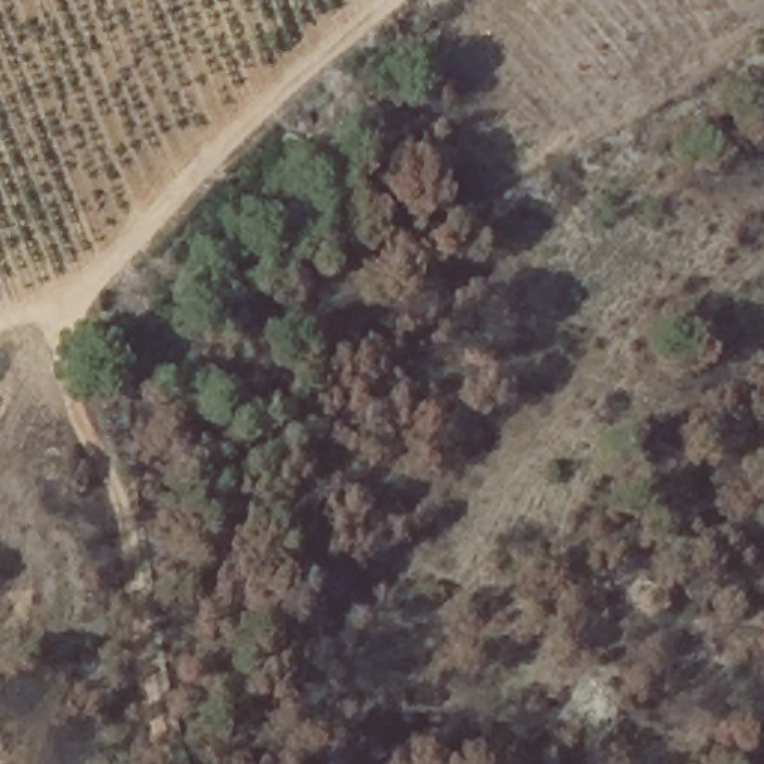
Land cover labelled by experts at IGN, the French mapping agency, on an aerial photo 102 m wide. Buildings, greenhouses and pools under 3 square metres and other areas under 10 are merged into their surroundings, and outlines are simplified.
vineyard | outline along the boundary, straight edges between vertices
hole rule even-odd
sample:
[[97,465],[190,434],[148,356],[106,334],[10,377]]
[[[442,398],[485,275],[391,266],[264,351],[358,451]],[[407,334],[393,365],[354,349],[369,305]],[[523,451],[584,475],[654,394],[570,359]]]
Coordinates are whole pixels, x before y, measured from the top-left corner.
[[12,301],[27,301],[33,289],[42,289],[45,284],[66,275],[66,263],[75,263],[81,254],[90,251],[104,251],[110,242],[116,242],[119,224],[128,218],[128,209],[149,209],[158,191],[179,176],[179,170],[191,158],[200,155],[206,143],[218,137],[218,131],[227,122],[236,119],[242,104],[263,96],[272,84],[278,84],[284,66],[295,60],[289,51],[301,42],[301,30],[307,24],[316,24],[325,12],[337,12],[346,0],[0,0],[0,295]]

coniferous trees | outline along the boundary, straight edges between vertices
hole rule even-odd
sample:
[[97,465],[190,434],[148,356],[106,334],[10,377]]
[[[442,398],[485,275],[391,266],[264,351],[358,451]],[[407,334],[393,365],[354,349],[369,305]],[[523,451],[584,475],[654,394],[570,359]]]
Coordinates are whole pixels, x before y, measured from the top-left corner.
[[498,66],[504,63],[504,51],[489,36],[460,33],[454,33],[451,39],[439,39],[424,51],[427,90],[421,104],[394,104],[382,98],[376,107],[361,110],[361,125],[352,128],[349,137],[340,143],[334,143],[325,134],[301,134],[298,140],[284,140],[284,128],[272,122],[263,125],[251,140],[245,140],[233,152],[224,179],[212,182],[206,194],[197,194],[179,212],[179,218],[167,224],[152,239],[152,245],[140,251],[134,263],[116,275],[116,281],[107,289],[101,289],[87,319],[60,334],[60,358],[54,373],[57,379],[69,382],[69,394],[75,400],[84,400],[93,430],[98,436],[113,439],[125,492],[134,507],[134,522],[149,522],[158,510],[167,513],[167,525],[161,531],[161,546],[167,546],[167,552],[155,552],[152,543],[140,543],[134,552],[122,552],[116,513],[107,498],[107,457],[93,445],[81,442],[72,451],[69,472],[72,478],[78,478],[78,483],[84,483],[84,489],[66,498],[57,492],[54,483],[48,483],[39,492],[39,504],[51,516],[63,519],[60,531],[69,531],[75,543],[84,549],[84,555],[93,561],[98,576],[93,600],[101,606],[101,612],[107,612],[107,630],[45,633],[39,651],[30,660],[42,671],[63,671],[69,680],[75,680],[75,692],[66,701],[69,719],[48,731],[48,743],[54,737],[93,734],[93,758],[87,758],[84,764],[764,764],[764,272],[743,281],[743,287],[734,295],[713,292],[701,298],[695,304],[698,319],[689,319],[686,313],[674,316],[674,310],[666,307],[657,313],[648,349],[654,361],[663,355],[677,358],[683,373],[671,379],[680,388],[695,388],[695,412],[686,415],[680,409],[674,415],[651,415],[645,433],[624,415],[615,424],[600,424],[600,439],[612,442],[612,451],[606,457],[609,472],[588,489],[585,504],[573,513],[567,534],[558,534],[558,528],[534,525],[528,519],[522,519],[516,528],[507,528],[504,534],[498,534],[495,543],[495,582],[480,591],[427,573],[409,579],[406,567],[412,561],[412,552],[427,540],[448,534],[466,516],[466,501],[486,478],[486,469],[480,463],[498,448],[504,421],[513,418],[519,409],[534,406],[543,397],[561,391],[585,355],[582,346],[591,328],[573,325],[570,319],[588,301],[588,289],[582,281],[576,281],[570,272],[534,266],[519,269],[513,281],[495,281],[492,275],[504,257],[531,251],[555,227],[555,218],[549,215],[546,203],[534,197],[504,200],[507,188],[519,185],[519,170],[516,143],[504,125],[504,116],[498,116],[495,110],[498,98],[489,93],[498,84]]
[[671,155],[683,173],[719,167],[725,179],[737,179],[743,173],[755,173],[764,179],[764,66],[752,66],[749,75],[755,78],[755,87],[725,93],[719,116],[707,116],[707,125],[671,137]]
[[633,200],[633,191],[624,188],[609,200],[612,215],[606,218],[603,230],[618,227],[624,218],[639,218],[642,224],[657,230],[677,215],[674,200],[669,194]]
[[764,212],[746,212],[737,227],[737,239],[725,251],[725,263],[734,266],[743,260],[746,251],[761,251],[764,239]]

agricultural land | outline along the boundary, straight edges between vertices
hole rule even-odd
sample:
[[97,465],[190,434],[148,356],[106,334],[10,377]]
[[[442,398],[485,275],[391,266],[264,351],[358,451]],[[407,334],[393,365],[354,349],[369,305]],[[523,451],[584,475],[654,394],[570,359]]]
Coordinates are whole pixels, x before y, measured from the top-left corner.
[[752,66],[764,66],[764,0],[475,0],[475,6],[466,6],[466,12],[457,18],[460,33],[489,36],[504,51],[504,63],[498,66],[498,84],[489,93],[498,98],[495,110],[498,116],[504,116],[504,125],[516,143],[519,170],[546,164],[546,158],[555,152],[570,155],[582,140],[603,140],[612,143],[612,155],[621,167],[660,170],[660,155],[645,155],[633,149],[633,122],[648,107],[674,98],[677,93],[689,93],[716,66],[731,69],[734,60],[746,60]]

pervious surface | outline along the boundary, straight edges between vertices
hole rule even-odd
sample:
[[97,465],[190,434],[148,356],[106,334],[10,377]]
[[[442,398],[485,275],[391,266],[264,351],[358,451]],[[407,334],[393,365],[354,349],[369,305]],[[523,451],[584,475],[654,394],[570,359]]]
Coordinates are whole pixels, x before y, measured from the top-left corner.
[[152,543],[155,552],[167,552],[167,546],[161,546],[161,531],[167,525],[167,513],[158,510],[149,522],[134,522],[134,507],[125,492],[113,439],[98,436],[93,430],[84,400],[75,400],[69,394],[69,382],[57,379],[54,373],[60,358],[60,334],[87,319],[101,289],[107,289],[116,281],[116,275],[134,263],[140,251],[152,245],[152,239],[167,224],[179,218],[179,212],[197,194],[206,194],[212,182],[224,179],[233,152],[245,140],[251,140],[263,125],[272,122],[295,93],[301,93],[319,75],[322,66],[337,60],[352,48],[370,48],[376,30],[406,0],[346,0],[337,12],[325,12],[316,24],[307,24],[301,30],[301,42],[289,51],[295,60],[284,66],[278,84],[272,84],[263,96],[242,104],[236,119],[227,122],[218,131],[218,137],[206,143],[200,155],[191,158],[179,170],[179,176],[158,191],[149,209],[128,209],[128,218],[119,224],[116,242],[110,242],[104,251],[90,251],[81,254],[75,263],[66,263],[66,275],[45,284],[42,289],[33,289],[27,301],[12,301],[0,295],[0,415],[9,412],[12,394],[24,394],[33,406],[51,406],[54,418],[69,418],[81,442],[93,445],[107,457],[107,498],[116,513],[122,552],[134,552],[140,543]]

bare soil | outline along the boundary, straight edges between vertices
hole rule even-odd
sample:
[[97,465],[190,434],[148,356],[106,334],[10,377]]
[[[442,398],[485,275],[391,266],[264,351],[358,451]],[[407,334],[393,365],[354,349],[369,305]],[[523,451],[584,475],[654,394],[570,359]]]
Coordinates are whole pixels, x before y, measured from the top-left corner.
[[107,612],[101,612],[101,606],[93,600],[98,576],[93,561],[84,555],[84,549],[75,543],[69,531],[60,531],[63,519],[51,516],[39,504],[39,492],[48,483],[54,483],[57,492],[66,498],[84,489],[84,483],[78,483],[78,478],[72,478],[69,472],[72,451],[81,442],[69,418],[54,418],[51,406],[33,406],[24,394],[12,394],[9,412],[0,415],[0,764],[84,764],[87,758],[93,758],[93,734],[54,737],[48,743],[48,731],[69,719],[66,701],[75,692],[75,680],[69,680],[63,671],[42,671],[30,660],[39,651],[45,633],[107,630]]
[[361,125],[361,110],[361,90],[352,81],[352,75],[340,72],[337,60],[322,66],[319,75],[301,93],[295,93],[272,122],[284,128],[284,140],[298,140],[301,134],[325,134],[334,143],[340,143],[349,137],[352,128]]
[[[737,179],[725,179],[719,167],[683,173],[671,155],[671,137],[707,125],[707,116],[719,116],[725,93],[755,87],[755,78],[749,75],[752,66],[746,60],[734,60],[731,69],[716,66],[689,93],[677,93],[674,98],[648,107],[633,122],[633,149],[645,155],[660,155],[660,170],[621,167],[612,155],[612,143],[603,140],[582,140],[570,155],[555,152],[546,158],[546,164],[519,170],[519,185],[507,188],[504,200],[534,197],[546,203],[549,215],[555,218],[555,227],[531,251],[504,257],[492,275],[495,281],[513,281],[519,269],[534,266],[570,272],[576,281],[582,281],[588,289],[588,301],[570,319],[573,325],[591,328],[582,346],[585,355],[561,391],[543,397],[534,406],[519,409],[513,418],[504,421],[498,448],[480,463],[486,469],[486,478],[466,501],[466,516],[448,534],[427,540],[412,552],[412,561],[406,567],[409,579],[427,573],[480,591],[495,582],[495,543],[498,534],[504,534],[507,528],[516,528],[522,519],[528,519],[534,525],[558,528],[558,534],[567,534],[573,513],[585,504],[588,489],[609,472],[606,457],[612,451],[612,442],[600,439],[600,424],[615,424],[624,415],[645,433],[651,415],[674,415],[680,409],[686,415],[695,412],[695,388],[680,388],[671,379],[683,373],[677,358],[663,355],[654,361],[648,349],[657,313],[666,307],[674,310],[674,316],[686,313],[689,319],[698,319],[695,304],[701,298],[713,292],[734,295],[743,287],[743,281],[764,272],[764,239],[761,251],[746,251],[743,260],[734,266],[725,263],[725,251],[737,239],[737,227],[746,212],[764,212],[764,179],[755,173],[743,173]],[[609,200],[624,188],[633,191],[633,200],[669,194],[674,200],[677,215],[657,230],[642,224],[639,218],[624,218],[618,227],[603,230],[606,218],[612,215]]]

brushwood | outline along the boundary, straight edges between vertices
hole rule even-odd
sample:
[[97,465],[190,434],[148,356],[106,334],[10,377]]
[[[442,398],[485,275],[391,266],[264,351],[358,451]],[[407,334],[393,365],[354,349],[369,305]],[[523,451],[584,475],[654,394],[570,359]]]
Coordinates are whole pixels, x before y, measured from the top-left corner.
[[421,104],[427,90],[424,51],[439,39],[451,39],[454,33],[460,33],[457,18],[466,12],[466,6],[475,6],[475,0],[406,0],[376,30],[370,48],[352,48],[337,60],[340,72],[352,75],[352,81],[361,90],[361,110],[376,107],[382,98],[394,104]]

